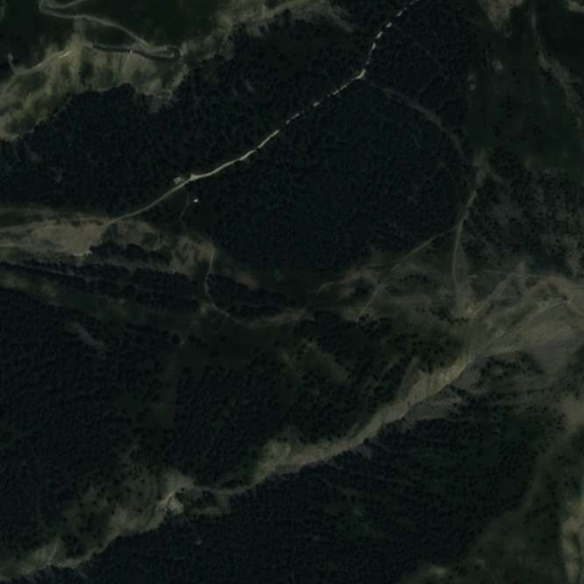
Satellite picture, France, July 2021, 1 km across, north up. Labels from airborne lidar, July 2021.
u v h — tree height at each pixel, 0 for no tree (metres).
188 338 0
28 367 16
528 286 0
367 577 13
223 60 10
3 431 16
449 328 0
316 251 23
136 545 19
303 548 16
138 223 0
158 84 0
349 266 11
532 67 0
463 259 0
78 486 12
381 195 20
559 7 0
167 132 15
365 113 23
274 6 0
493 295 0
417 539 11
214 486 7
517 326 0
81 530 14
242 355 0
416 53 16
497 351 0
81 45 0
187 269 0
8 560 0
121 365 13
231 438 14
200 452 18
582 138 0
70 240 0
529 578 0
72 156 15
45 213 0
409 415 0
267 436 13
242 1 0
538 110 0
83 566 7
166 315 0
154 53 0
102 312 0
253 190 21
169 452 21
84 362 17
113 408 16
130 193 18
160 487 0
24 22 0
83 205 13
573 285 0
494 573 0
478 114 0
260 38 6
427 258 0
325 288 0
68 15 0
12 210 0
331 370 0
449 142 16
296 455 0
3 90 0
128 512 0
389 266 0
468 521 10
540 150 0
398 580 8
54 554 0
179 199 0
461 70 12
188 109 16
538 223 7
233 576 18
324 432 13
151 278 21
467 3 0
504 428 8
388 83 13
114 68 0
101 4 0
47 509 12
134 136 17
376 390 11
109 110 13
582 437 0
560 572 0
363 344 0
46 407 12
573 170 0
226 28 0
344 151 22
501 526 0
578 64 0
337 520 14
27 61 0
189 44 0
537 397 0
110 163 12
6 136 0
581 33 0
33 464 18
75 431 16
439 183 14
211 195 21
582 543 0
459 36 15
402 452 12
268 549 18
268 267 20
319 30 9
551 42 0
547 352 0
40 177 12
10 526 8
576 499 0
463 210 0
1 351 22
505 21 0
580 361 0
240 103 14
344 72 20
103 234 0
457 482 6
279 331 0
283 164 8
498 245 7
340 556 14
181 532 21
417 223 11
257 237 21
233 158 0
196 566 10
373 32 10
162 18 0
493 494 8
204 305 0
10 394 12
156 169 16
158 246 0
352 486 10
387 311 0
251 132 17
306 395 12
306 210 21
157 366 9
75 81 0
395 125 20
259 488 11
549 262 0
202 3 0
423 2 16
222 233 11
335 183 22
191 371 16
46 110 0
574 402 0
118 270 22
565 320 0
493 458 0
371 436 0
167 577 17
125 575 22
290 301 17
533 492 0
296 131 8
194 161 12
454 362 0
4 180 11
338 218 19
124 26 0
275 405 17
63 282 16
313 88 22
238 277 0
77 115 17
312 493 11
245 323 0
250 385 16
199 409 14
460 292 0
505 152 9
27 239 0
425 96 14
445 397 0
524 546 0
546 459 0
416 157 23
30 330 22
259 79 12
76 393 12
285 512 17
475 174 0
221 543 18
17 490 11
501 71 0
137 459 9
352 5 9
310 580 14
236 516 12
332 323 14
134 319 0
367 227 21
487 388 0
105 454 18
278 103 15
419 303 0
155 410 0
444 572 0
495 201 8
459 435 8
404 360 10
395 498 13
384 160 21
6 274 0
